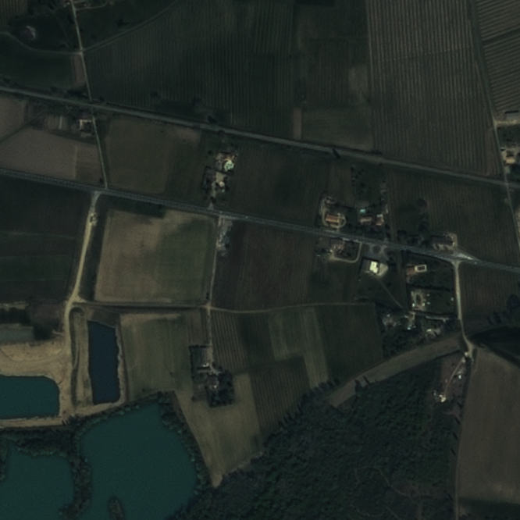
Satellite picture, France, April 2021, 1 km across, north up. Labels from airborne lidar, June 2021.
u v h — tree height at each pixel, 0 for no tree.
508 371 0
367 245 0
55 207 0
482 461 0
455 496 0
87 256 0
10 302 0
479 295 0
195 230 0
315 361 0
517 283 0
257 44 0
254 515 21
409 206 0
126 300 0
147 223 0
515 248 0
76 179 0
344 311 0
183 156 0
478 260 0
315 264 0
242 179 0
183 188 0
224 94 0
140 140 0
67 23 0
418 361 0
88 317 0
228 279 0
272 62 0
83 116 0
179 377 0
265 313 0
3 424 0
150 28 0
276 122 0
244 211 0
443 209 0
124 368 0
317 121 0
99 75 0
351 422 10
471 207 0
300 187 0
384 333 10
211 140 0
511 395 0
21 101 19
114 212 0
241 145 0
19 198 0
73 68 0
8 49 0
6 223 0
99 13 0
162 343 0
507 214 0
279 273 0
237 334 0
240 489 21
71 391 0
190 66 0
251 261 0
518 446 0
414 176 0
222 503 18
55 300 0
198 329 0
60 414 0
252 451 0
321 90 0
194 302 0
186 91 0
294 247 0
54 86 0
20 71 0
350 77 0
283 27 0
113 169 0
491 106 0
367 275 0
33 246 0
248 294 0
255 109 0
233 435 0
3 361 0
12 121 0
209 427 0
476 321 0
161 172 0
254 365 0
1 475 9
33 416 0
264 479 19
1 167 0
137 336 0
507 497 0
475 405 0
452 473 0
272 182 0
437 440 7
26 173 0
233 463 0
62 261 0
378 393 5
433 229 0
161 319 0
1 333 0
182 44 0
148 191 0
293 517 12
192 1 0
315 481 10
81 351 0
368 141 0
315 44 0
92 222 0
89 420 14
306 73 0
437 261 6
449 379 0
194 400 6
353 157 0
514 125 0
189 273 0
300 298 0
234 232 0
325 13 0
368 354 0
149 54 0
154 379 0
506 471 0
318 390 0
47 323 0
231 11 0
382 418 8
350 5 0
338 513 8
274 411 0
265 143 9
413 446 7
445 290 7
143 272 0
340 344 0
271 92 0
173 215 0
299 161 0
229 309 0
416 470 11
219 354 0
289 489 13
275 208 0
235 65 0
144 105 0
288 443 10
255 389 0
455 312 5
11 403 0
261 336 0
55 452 11
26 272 0
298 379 0
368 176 0
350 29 0
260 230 0
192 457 9
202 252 0
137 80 0
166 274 0
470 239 0
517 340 0
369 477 8
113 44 0
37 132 0
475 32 0
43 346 0
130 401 0
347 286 0
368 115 0
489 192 0
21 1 0
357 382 0
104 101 13
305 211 0
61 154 0
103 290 0
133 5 0
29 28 0
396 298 0
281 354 0
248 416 0
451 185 0
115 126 0
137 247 0
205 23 0
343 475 7
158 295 0
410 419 8
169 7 0
